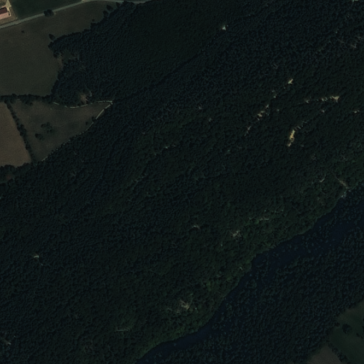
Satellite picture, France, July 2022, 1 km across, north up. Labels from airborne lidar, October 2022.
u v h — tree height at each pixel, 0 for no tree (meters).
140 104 26
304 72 23
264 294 28
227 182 23
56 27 0
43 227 26
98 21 0
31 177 16
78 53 20
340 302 34
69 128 0
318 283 32
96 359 31
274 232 24
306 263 26
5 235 13
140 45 10
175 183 15
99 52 17
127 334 26
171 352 59
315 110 26
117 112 20
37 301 21
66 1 0
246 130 29
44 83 0
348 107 28
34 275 18
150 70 15
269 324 35
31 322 24
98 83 19
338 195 37
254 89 20
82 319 36
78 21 0
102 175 19
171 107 26
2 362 18
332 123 21
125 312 22
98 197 29
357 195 32
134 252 27
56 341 27
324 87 23
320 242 31
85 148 15
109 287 28
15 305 7
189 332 12
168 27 12
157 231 21
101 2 0
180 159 29
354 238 37
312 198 31
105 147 18
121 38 12
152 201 20
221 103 18
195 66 27
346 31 23
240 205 26
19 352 35
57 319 26
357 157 27
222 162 23
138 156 28
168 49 10
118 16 21
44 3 0
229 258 38
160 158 36
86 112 0
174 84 26
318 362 0
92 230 24
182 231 20
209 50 24
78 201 27
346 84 27
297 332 29
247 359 38
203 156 16
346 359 19
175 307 18
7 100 15
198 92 28
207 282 32
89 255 24
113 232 28
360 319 0
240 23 23
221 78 30
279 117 19
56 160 15
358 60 26
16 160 0
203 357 42
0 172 23
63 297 30
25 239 25
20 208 20
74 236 30
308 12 33
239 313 37
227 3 21
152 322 27
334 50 26
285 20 32
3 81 0
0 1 0
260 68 33
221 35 27
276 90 28
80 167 21
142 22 14
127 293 34
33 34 0
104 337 35
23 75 0
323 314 29
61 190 25
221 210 25
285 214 24
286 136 29
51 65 0
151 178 21
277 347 32
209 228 24
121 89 9
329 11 32
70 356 30
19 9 0
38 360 33
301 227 26
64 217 0
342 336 0
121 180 24
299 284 40
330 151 21
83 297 32
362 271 39
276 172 34
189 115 25
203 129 28
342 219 30
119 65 11
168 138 27
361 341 0
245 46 31
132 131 21
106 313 28
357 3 22
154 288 28
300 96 22
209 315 31
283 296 33
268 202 14
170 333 37
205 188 23
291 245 40
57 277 31
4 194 12
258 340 32
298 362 27
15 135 0
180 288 26
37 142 0
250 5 0
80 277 20
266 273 34
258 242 55
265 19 19
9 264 22
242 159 16
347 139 25
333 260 29
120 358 27
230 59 28
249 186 24
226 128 28
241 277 9
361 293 28
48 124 7
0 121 0
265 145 24
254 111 25
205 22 19
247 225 25
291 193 34
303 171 26
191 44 18
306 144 36
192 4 13
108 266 25
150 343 51
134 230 31
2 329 28
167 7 11
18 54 0
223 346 33
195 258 21
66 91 25
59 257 19
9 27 0
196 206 21
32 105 8
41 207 22
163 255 29
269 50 35
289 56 35
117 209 27
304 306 37
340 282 37
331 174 31
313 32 31
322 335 33
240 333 37
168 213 30
